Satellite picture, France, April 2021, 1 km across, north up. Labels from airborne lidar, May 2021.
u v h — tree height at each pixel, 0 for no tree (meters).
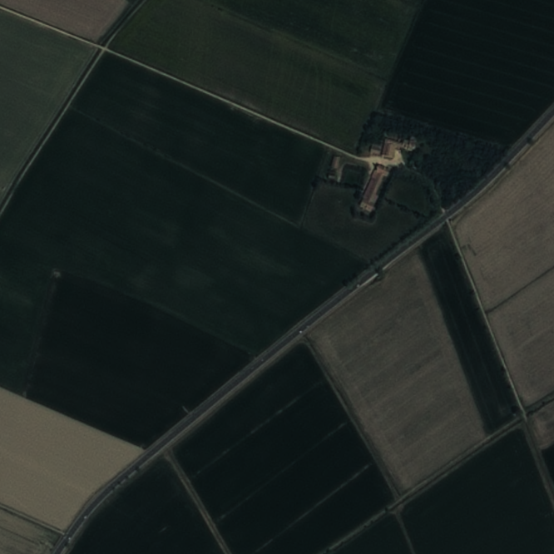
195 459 0
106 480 0
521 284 0
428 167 14
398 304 0
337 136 0
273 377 0
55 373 0
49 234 0
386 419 0
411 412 0
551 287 0
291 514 0
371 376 0
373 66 0
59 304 0
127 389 0
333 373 0
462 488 0
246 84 0
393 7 0
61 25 0
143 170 0
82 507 0
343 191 0
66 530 0
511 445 0
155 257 0
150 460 0
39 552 0
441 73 0
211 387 0
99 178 0
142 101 0
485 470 0
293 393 0
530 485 0
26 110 0
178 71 0
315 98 0
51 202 0
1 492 0
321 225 0
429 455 0
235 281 0
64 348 0
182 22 0
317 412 0
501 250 0
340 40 0
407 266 0
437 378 0
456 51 0
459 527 0
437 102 0
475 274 0
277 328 0
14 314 0
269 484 0
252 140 0
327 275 0
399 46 0
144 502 0
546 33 0
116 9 0
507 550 0
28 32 0
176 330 0
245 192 0
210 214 0
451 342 0
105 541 0
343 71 0
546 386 0
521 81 0
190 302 0
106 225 0
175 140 0
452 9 0
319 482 0
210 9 0
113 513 0
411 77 0
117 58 0
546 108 0
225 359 0
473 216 0
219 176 0
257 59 0
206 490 0
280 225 0
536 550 0
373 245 0
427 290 0
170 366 0
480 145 8
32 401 0
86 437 0
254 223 0
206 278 0
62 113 0
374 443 0
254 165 0
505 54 0
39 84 0
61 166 0
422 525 0
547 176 0
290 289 0
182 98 0
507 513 0
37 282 0
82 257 0
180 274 0
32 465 0
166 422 0
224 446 0
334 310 0
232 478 0
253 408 0
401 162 0
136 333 0
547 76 0
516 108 0
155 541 0
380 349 0
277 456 0
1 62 0
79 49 0
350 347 0
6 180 0
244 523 0
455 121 0
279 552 0
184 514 0
